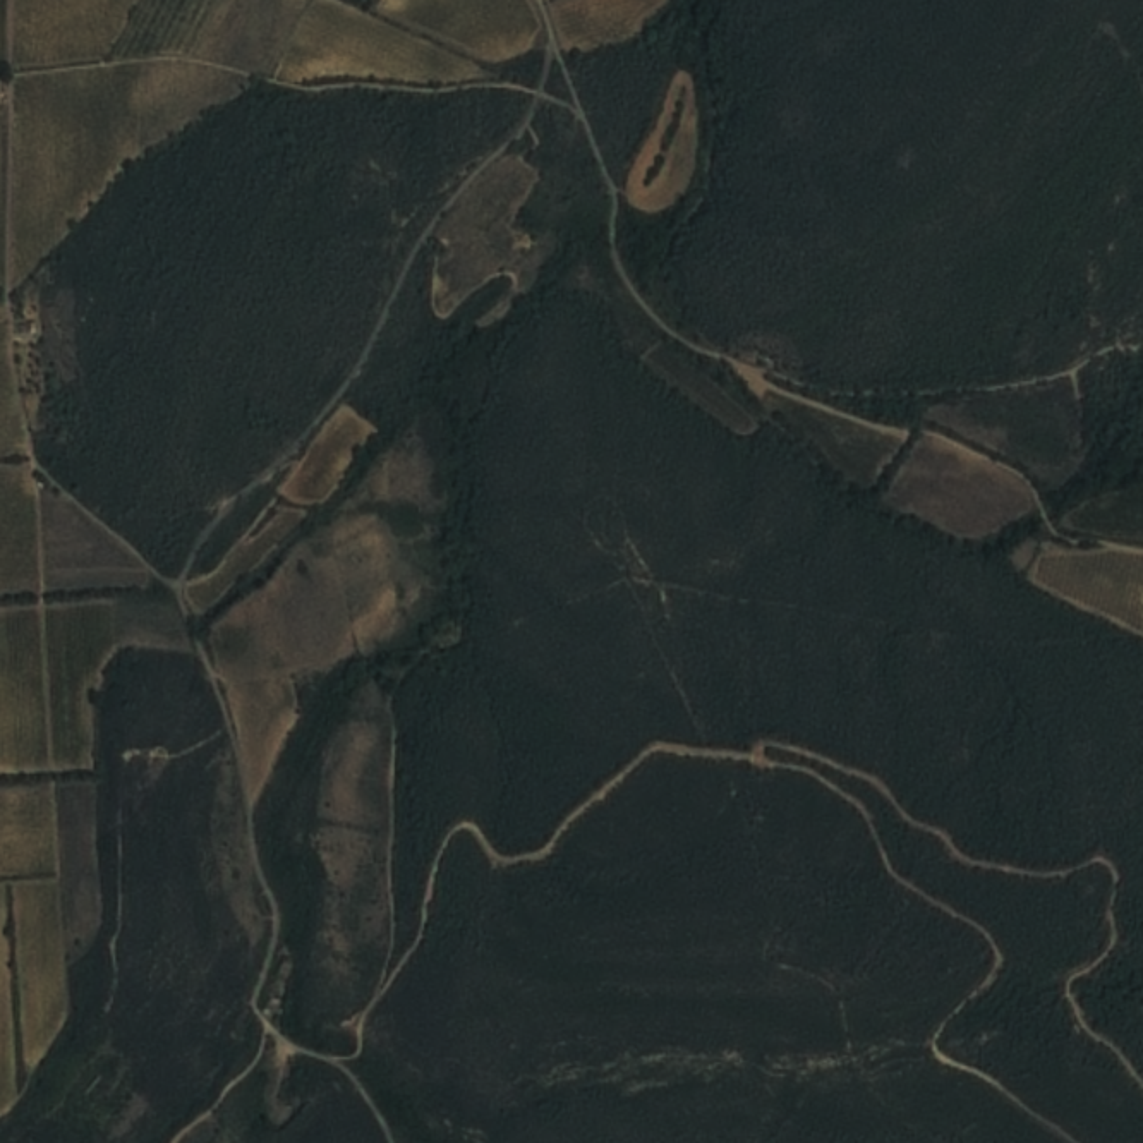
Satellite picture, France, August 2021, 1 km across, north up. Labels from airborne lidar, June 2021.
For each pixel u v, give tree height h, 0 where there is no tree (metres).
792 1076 0
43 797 0
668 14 10
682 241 8
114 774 0
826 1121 0
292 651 0
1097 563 0
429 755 6
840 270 5
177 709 0
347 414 0
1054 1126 0
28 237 0
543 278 9
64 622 0
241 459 0
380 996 0
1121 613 0
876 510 9
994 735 8
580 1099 0
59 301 0
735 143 8
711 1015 0
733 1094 0
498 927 0
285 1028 8
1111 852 6
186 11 0
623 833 0
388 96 11
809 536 6
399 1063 0
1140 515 0
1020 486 0
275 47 0
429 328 7
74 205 0
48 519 0
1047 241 6
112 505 0
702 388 0
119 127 0
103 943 0
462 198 0
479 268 0
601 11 0
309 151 6
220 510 0
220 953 0
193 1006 0
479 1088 0
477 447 6
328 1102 0
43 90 0
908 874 7
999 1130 0
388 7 0
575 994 0
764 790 0
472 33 0
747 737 5
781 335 7
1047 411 0
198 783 0
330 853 0
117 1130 0
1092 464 9
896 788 6
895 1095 0
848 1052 0
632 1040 0
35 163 0
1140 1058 5
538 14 0
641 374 9
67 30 0
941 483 0
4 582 0
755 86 8
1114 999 13
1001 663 5
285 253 8
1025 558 0
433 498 0
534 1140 0
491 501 5
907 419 8
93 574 0
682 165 0
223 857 0
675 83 0
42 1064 6
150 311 5
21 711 0
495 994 0
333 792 0
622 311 0
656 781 0
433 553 0
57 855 0
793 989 0
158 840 0
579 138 0
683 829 0
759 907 0
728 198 5
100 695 12
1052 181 7
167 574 6
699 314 5
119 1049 0
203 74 0
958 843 8
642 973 0
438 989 0
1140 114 6
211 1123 0
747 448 7
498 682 5
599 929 0
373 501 0
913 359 7
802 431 10
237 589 9
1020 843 6
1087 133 6
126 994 0
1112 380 7
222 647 0
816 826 0
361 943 0
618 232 7
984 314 6
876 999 0
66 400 8
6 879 0
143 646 0
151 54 0
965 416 0
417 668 7
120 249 6
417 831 6
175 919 0
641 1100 0
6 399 0
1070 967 9
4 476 0
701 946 0
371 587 0
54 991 0
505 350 7
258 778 0
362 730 0
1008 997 7
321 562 0
